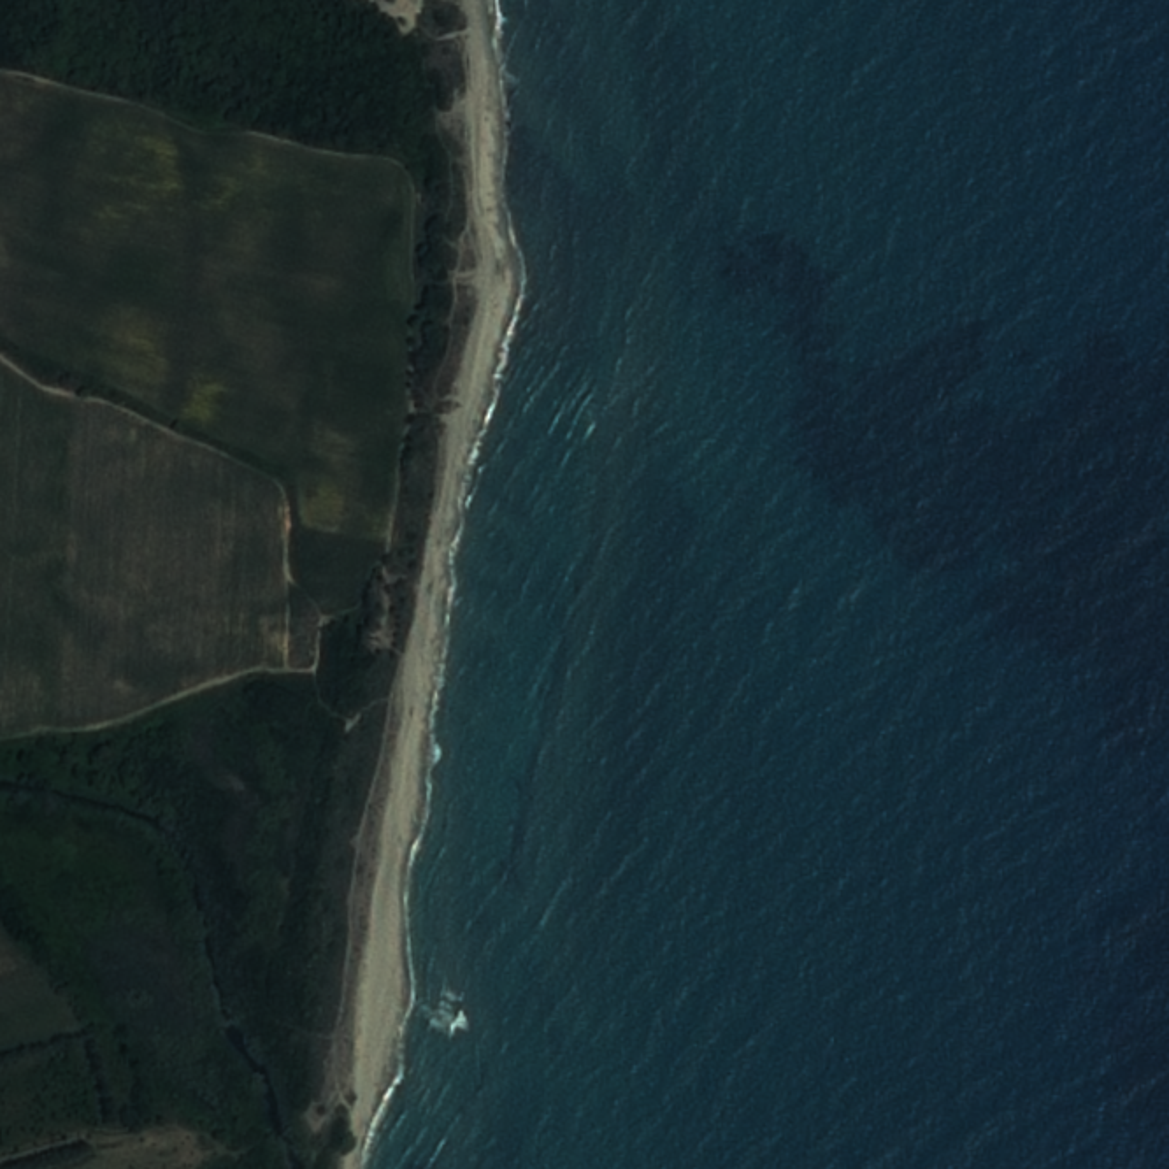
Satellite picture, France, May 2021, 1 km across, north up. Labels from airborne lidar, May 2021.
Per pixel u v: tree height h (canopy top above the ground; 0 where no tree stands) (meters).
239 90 12
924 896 0
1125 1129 0
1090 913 0
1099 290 0
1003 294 0
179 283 0
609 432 0
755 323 0
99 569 0
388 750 0
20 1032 0
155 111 0
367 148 8
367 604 13
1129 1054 0
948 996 0
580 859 0
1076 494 0
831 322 0
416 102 7
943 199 0
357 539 0
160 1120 10
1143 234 0
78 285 0
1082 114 0
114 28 9
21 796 11
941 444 0
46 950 7
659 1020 0
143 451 0
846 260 0
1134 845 0
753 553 0
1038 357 0
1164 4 0
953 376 0
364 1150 0
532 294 0
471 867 0
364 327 0
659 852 0
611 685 0
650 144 0
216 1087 6
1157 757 0
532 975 0
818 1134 0
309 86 9
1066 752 0
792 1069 0
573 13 0
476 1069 0
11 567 0
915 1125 0
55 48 14
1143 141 0
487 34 0
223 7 11
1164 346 0
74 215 0
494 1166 0
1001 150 0
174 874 10
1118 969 0
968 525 0
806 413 0
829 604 0
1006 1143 0
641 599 0
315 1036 0
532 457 0
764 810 0
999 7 0
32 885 0
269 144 0
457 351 0
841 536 0
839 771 0
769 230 0
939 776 0
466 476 0
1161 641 0
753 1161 0
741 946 0
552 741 0
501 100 0
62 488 0
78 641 0
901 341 0
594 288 0
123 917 0
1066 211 0
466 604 0
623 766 0
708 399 0
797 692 0
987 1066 0
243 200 0
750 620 0
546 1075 0
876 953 0
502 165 0
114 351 0
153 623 0
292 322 0
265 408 0
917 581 0
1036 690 0
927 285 0
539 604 0
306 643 0
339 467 0
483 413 0
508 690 0
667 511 0
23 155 0
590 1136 0
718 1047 0
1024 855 0
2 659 0
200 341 0
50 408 0
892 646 0
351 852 0
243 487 0
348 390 0
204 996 6
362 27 9
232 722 0
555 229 0
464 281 0
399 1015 0
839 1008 0
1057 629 0
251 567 0
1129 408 0
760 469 0
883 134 0
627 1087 0
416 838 0
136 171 0
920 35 0
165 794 9
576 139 0
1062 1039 0
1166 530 0
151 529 0
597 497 0
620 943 0
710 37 0
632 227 0
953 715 0
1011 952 0
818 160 0
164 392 0
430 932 0
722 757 0
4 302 0
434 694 0
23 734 0
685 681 0
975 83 0
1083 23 0
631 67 0
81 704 0
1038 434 0
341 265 0
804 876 0
